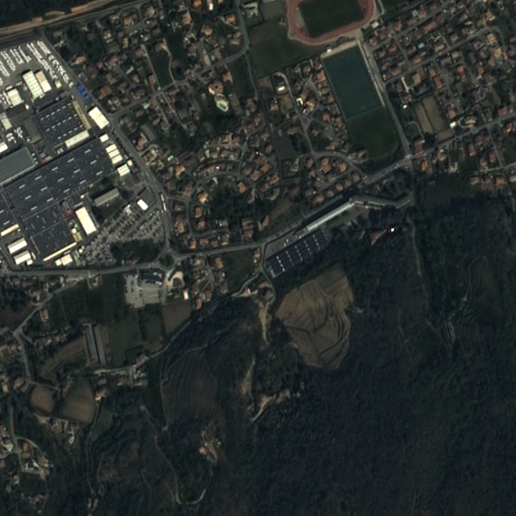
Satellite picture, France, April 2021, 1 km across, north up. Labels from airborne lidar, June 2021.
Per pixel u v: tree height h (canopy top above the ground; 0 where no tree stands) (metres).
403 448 9
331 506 12
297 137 7
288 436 9
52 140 0
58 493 17
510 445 14
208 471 9
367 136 0
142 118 0
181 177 9
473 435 12
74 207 0
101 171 0
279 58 0
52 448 10
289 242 0
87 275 0
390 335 13
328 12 0
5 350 0
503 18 6
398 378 12
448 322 9
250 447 25
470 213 25
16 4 5
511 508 22
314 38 0
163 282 0
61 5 6
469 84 8
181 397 0
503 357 12
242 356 15
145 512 10
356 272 16
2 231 0
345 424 10
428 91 8
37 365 6
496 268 12
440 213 12
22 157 0
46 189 0
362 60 0
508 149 0
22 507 7
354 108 0
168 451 19
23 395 20
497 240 17
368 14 0
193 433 8
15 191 0
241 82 0
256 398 14
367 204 0
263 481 18
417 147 0
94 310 0
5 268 0
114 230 12
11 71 0
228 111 0
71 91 0
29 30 0
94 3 0
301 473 9
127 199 10
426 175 9
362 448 8
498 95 0
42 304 0
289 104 0
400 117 6
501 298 10
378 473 13
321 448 7
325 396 9
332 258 10
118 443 11
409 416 12
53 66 0
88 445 6
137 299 0
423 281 17
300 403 10
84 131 0
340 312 0
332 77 0
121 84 0
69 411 0
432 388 12
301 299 0
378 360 10
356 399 12
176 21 7
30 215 0
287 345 6
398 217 28
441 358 11
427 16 0
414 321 16
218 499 6
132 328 0
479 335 7
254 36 0
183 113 0
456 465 14
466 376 18
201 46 0
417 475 11
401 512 8
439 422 10
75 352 0
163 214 0
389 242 14
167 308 0
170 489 10
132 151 0
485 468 13
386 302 10
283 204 0
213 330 8
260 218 14
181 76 6
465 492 13
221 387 12
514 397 8
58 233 0
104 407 6
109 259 0
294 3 0
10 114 0
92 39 7
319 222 0
